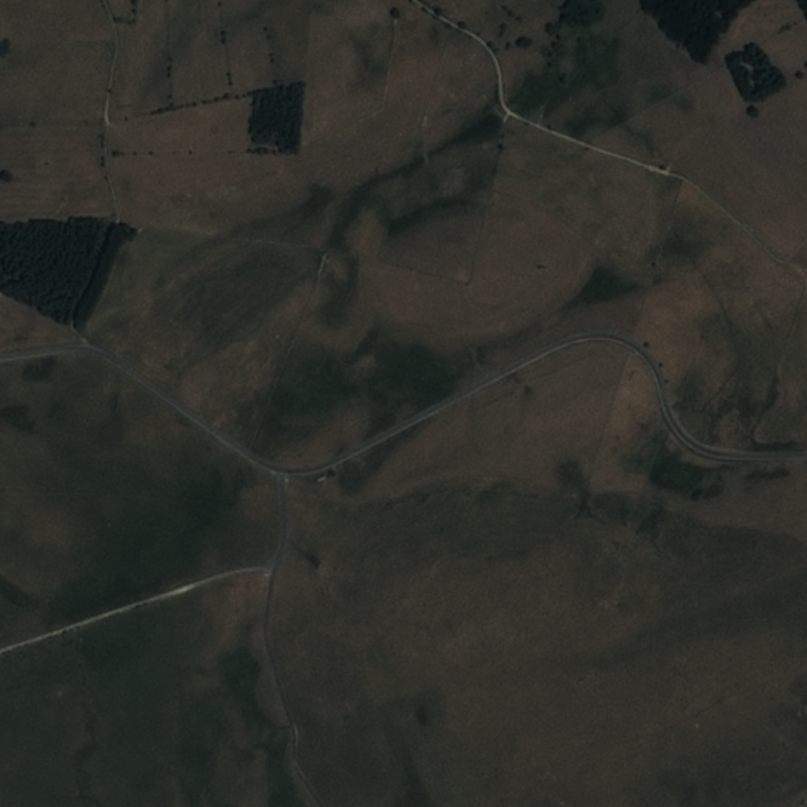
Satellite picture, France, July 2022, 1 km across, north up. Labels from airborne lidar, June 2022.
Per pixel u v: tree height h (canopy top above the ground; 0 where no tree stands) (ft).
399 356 0
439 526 0
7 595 0
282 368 0
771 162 0
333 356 0
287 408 0
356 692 0
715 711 0
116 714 0
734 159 0
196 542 0
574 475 0
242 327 0
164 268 0
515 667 0
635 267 0
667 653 0
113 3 0
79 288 71
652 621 0
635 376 0
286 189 0
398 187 0
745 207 0
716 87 0
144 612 0
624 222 0
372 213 0
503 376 0
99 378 0
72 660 0
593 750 0
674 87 0
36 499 0
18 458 0
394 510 0
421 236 0
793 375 0
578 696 0
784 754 0
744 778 0
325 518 0
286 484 0
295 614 0
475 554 0
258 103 30
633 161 0
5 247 45
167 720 0
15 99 0
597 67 0
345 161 0
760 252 0
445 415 0
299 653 0
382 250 0
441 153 0
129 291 0
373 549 0
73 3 0
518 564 0
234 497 0
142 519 0
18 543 0
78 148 0
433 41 0
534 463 0
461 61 0
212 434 0
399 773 0
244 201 0
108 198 0
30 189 0
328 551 0
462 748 0
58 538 0
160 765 0
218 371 0
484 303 0
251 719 0
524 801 0
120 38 0
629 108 0
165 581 0
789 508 0
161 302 0
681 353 0
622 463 0
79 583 0
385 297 0
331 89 0
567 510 0
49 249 78
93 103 0
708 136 0
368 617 0
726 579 0
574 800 0
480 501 0
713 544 0
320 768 0
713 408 0
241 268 0
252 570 0
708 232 0
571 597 0
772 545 0
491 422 0
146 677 0
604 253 0
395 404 0
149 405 0
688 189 0
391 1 0
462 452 0
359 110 0
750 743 0
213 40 0
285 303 0
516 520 0
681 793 0
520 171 0
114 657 0
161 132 0
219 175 0
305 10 0
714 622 0
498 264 0
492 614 0
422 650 0
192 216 0
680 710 0
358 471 0
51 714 0
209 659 0
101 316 0
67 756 0
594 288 0
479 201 0
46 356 0
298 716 0
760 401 0
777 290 0
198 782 0
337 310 0
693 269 0
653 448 0
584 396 0
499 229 0
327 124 0
